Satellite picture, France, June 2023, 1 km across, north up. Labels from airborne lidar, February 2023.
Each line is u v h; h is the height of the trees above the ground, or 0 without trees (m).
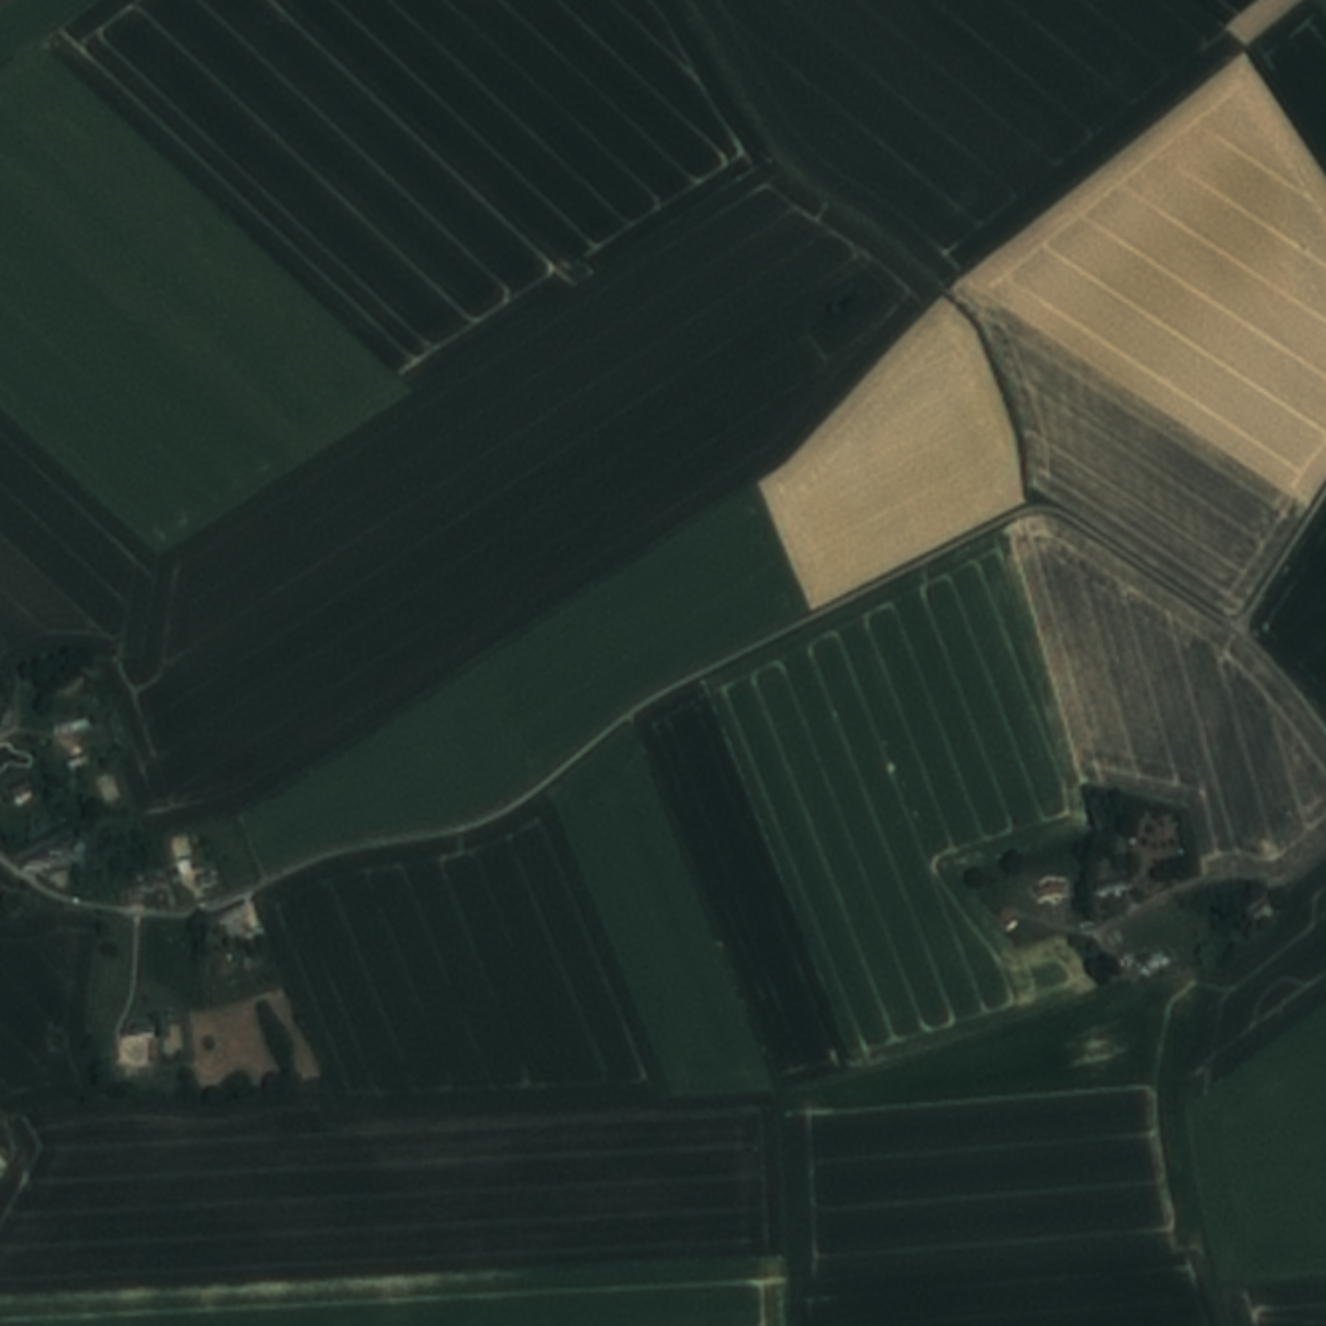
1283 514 0
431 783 0
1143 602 0
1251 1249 0
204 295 0
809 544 0
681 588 0
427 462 0
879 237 0
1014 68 0
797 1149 0
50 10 0
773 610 0
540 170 0
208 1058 0
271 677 0
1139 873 9
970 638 0
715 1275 0
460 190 0
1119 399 0
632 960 0
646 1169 0
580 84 0
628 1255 0
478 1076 0
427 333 0
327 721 0
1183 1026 0
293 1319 0
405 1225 0
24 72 0
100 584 0
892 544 0
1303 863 0
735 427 0
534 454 0
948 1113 0
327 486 0
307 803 0
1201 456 0
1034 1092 0
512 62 0
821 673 0
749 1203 0
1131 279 0
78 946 0
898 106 0
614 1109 0
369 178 0
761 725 0
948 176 0
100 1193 0
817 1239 0
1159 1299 0
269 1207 0
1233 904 9
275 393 0
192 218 0
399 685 0
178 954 0
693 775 0
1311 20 0
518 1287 0
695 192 0
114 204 0
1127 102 0
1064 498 0
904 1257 0
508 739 0
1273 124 0
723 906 0
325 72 0
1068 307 0
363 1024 0
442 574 0
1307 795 0
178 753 0
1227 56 0
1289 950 0
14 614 0
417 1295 0
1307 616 0
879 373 0
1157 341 0
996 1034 0
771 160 0
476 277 0
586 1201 0
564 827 0
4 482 0
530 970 0
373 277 0
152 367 0
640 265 0
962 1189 0
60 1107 0
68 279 0
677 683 0
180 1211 0
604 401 0
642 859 0
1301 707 0
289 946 0
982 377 0
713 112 0
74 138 0
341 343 0
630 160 0
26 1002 0
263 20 0
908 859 0
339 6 0
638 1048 0
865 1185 0
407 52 0
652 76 0
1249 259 0
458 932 0
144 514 0
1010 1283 0
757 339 0
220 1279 0
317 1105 0
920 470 0
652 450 0
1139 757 0
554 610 0
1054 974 0
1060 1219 0
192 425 0
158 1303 0
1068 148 0
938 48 0
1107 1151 0
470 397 0
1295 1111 0
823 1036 0
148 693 0
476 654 0
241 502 0
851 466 0
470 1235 0
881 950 0
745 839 0
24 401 0
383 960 0
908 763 0
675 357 0
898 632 0
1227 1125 0
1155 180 0
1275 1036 0
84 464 0
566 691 0
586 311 0
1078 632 0
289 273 0
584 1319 0
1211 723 0
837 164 0
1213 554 0
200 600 0
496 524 0
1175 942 0
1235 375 0
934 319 0
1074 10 0
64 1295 0
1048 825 0
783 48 0
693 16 0
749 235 0
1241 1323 0
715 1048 0
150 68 0
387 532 0
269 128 0
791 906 0
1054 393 0
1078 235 0
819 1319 0
